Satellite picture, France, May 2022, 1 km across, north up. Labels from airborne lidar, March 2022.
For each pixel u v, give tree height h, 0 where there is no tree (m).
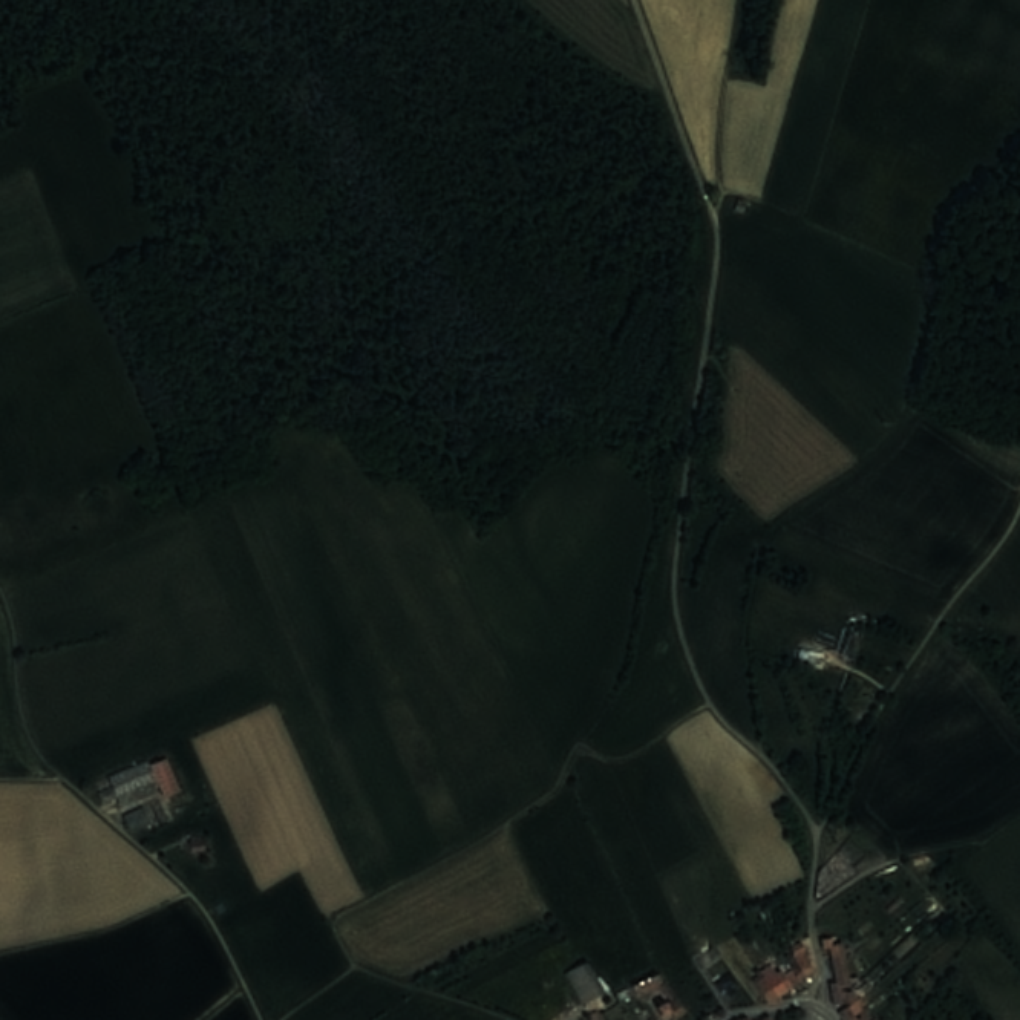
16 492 0
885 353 0
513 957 0
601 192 19
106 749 0
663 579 0
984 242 26
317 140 16
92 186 0
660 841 0
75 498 0
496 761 0
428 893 0
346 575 0
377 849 0
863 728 11
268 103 14
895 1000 8
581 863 0
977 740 0
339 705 0
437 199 11
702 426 14
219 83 21
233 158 18
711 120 0
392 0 18
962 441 0
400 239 22
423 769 0
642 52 0
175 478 19
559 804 0
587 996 0
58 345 0
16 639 0
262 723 0
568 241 15
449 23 13
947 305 21
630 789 0
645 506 0
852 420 0
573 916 0
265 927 0
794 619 0
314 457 0
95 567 0
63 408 0
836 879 0
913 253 0
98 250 0
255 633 0
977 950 0
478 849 0
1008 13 0
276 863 0
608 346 10
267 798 0
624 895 0
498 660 0
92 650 0
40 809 0
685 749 0
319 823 0
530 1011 0
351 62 21
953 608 0
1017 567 0
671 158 9
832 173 0
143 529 0
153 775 0
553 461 14
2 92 18
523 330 11
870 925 0
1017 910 0
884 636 9
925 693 0
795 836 12
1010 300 27
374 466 15
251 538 0
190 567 0
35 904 0
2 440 0
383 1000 0
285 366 24
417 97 15
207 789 0
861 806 0
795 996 0
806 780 0
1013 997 0
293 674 0
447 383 15
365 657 0
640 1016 0
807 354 0
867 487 0
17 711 0
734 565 0
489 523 13
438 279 22
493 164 21
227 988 0
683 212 21
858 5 0
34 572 0
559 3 0
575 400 17
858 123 0
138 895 0
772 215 0
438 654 0
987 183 24
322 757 0
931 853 0
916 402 14
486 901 0
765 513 0
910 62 0
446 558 0
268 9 8
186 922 0
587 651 0
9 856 0
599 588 0
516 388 22
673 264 25
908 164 0
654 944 0
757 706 9
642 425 9
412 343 23
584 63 11
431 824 0
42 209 0
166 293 14
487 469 21
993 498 0
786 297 0
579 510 0
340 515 0
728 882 0
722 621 0
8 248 0
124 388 0
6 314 0
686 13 0
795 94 0
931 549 0
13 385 0
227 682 0
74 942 0
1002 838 0
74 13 7
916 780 0
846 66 0
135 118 19
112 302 10
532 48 14
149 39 22
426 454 19
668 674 0
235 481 20
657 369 10
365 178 14
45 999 0
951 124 0
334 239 17
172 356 13
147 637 0
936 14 0
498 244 14
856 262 0
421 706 0
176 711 0
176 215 22
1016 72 0
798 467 0
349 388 26
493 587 0
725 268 0
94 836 0
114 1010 0
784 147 0
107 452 0
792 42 0
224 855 0
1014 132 0
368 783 0
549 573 0
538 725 0
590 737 0
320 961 0
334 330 7
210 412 15
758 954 0
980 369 27
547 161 22
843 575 0
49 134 0
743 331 0
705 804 0
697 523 0
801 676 11
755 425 0
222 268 16
